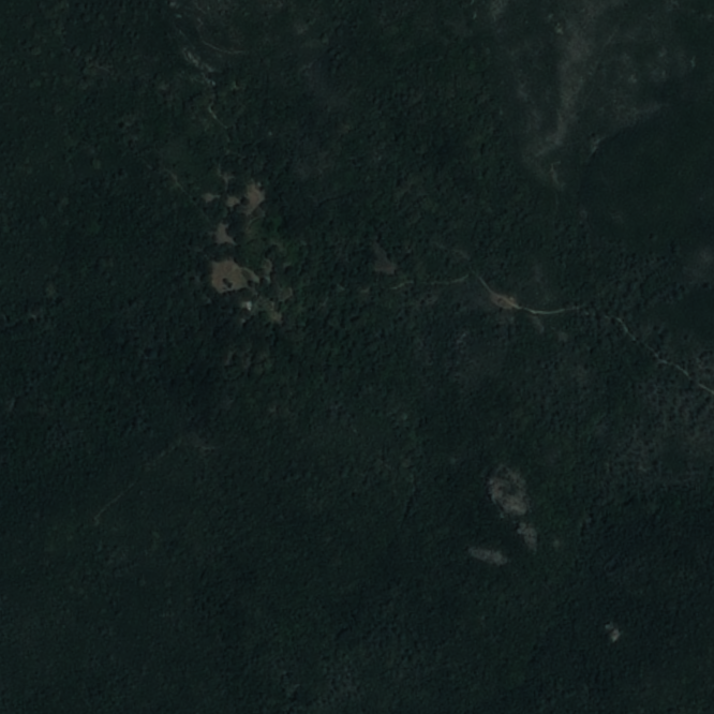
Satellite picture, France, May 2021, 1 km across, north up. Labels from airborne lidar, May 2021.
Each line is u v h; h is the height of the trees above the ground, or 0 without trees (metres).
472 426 6
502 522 12
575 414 7
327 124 6
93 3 7
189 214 8
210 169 8
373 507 13
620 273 15
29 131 8
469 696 8
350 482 9
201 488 9
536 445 11
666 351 12
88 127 8
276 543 10
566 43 0
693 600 10
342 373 16
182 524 10
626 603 9
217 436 9
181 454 9
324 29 8
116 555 9
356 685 11
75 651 7
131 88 7
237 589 13
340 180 7
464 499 16
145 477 8
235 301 14
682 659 8
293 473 13
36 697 12
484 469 9
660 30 0
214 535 18
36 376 13
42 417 11
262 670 12
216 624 16
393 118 11
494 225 11
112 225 14
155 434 8
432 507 12
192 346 10
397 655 9
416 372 8
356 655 11
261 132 8
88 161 5
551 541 8
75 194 15
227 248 8
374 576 15
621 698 7
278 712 14
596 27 0
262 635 12
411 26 6
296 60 10
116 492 6
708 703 9
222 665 9
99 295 11
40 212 7
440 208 13
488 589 7
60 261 15
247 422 9
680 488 14
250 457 8
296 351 16
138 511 6
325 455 11
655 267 13
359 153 11
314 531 10
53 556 8
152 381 17
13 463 12
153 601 8
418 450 11
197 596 15
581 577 8
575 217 7
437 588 12
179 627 10
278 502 7
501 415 6
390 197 10
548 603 16
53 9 9
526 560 11
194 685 9
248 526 11
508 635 11
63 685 9
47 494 12
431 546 12
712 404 12
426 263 7
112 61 6
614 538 9
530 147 0
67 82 10
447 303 9
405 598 13
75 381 13
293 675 12
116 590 9
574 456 13
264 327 16
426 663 9
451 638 8
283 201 10
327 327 14
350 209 17
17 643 8
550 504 14
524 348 8
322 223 18
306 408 8
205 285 8
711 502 13
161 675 9
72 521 6
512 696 15
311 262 16
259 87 10
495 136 8
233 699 11
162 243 8
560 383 8
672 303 13
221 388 8
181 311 11
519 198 12
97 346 13
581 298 6
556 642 16
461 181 11
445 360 6
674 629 12
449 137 11
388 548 12
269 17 10
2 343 11
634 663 6
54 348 8
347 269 14
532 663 17
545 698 7
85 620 9
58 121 6
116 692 13
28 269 6
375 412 11
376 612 14
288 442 10
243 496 14
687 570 11
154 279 10
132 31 7
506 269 12
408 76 7
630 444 11
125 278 9
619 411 8
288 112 13
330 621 11
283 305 12
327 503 11
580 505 11
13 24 6
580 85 0
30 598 7
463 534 14
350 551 10
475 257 7
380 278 16
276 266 10
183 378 13
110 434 14
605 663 9
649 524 14
